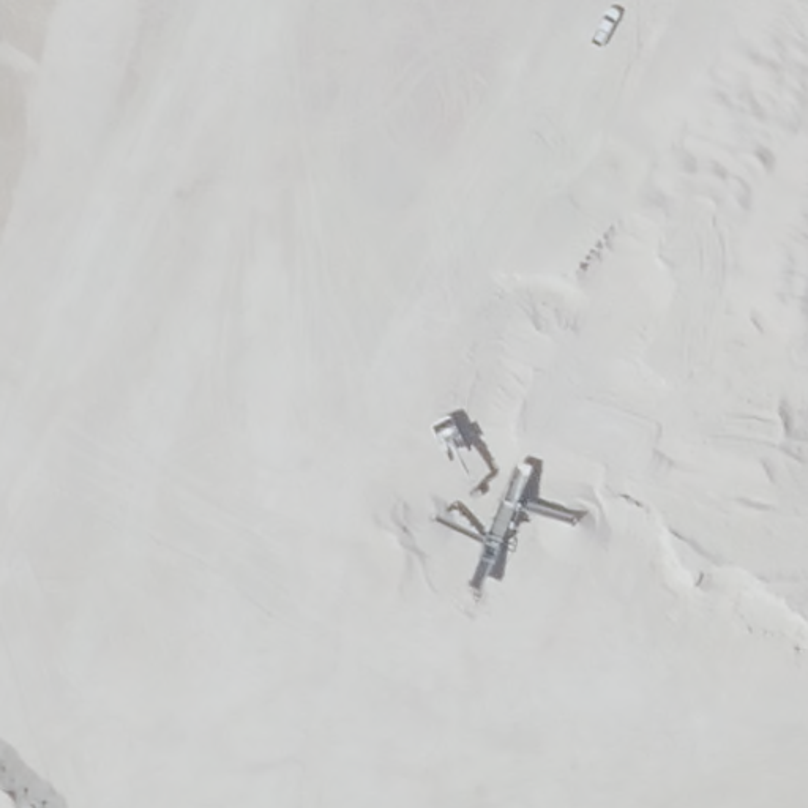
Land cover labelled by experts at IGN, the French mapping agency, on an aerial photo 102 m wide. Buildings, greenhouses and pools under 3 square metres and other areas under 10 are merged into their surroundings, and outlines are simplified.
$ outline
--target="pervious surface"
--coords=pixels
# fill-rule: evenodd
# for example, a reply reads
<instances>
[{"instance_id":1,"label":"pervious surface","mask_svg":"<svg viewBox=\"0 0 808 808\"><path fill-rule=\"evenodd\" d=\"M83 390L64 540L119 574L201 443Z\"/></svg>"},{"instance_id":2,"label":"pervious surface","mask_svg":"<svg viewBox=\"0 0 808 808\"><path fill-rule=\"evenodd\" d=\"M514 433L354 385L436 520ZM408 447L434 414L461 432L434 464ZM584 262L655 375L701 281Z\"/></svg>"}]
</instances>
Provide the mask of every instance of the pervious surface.
<instances>
[{"instance_id":1,"label":"pervious surface","mask_svg":"<svg viewBox=\"0 0 808 808\"><path fill-rule=\"evenodd\" d=\"M0 808L808 808L808 0L0 0Z\"/></svg>"}]
</instances>

